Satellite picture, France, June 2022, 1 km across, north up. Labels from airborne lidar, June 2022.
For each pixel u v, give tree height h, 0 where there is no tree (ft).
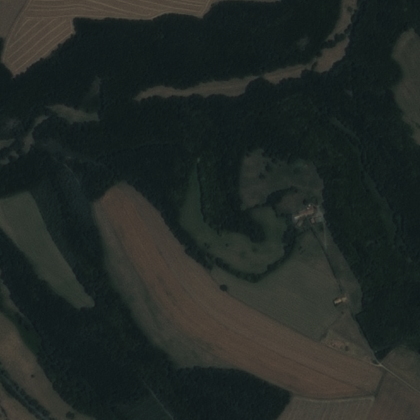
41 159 40
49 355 69
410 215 51
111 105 81
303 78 62
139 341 75
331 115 72
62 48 23
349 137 49
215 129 95
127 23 51
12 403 0
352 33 26
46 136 27
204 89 0
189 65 75
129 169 101
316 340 0
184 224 0
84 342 66
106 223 0
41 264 0
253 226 33
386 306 82
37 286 68
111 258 0
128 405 93
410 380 0
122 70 79
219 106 88
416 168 57
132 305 0
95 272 28
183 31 62
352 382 0
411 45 0
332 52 0
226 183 76
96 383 107
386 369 0
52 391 0
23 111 69
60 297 35
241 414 68
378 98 79
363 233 59
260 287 0
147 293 0
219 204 97
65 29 0
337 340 0
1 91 40
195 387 87
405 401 0
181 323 0
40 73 75
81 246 69
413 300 62
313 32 50
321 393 0
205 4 0
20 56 0
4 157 88
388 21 81
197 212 0
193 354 0
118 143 53
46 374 46
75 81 92
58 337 86
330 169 53
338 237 70
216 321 0
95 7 0
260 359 0
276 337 0
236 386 92
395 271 62
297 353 0
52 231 32
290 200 0
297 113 52
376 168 58
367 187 51
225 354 0
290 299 0
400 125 57
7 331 0
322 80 79
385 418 0
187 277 0
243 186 0
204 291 0
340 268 0
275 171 0
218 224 89
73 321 83
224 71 94
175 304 0
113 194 0
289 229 30
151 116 50
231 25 69
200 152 64
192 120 75
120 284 0
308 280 0
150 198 60
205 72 97
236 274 23
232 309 0
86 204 45
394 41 36
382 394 0
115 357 68
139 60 71
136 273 0
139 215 0
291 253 19
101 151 41
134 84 93
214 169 91
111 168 92
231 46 74
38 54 0
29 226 0
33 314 82
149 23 44
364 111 55
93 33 31
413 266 59
